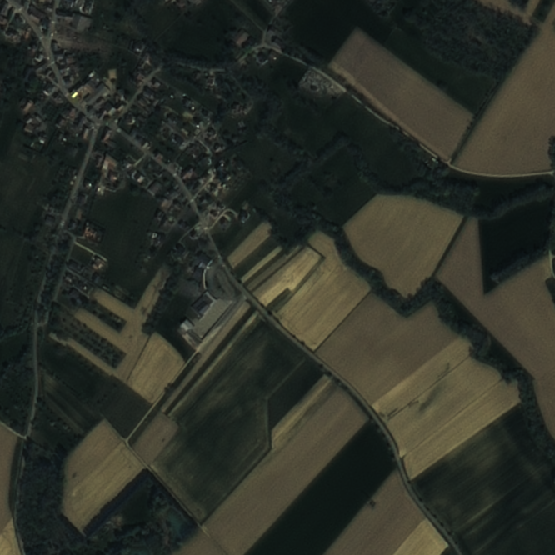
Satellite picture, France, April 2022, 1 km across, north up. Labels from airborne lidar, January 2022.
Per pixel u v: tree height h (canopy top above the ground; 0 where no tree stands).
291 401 0
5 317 0
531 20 0
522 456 0
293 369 0
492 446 0
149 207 0
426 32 18
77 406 0
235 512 0
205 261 0
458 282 0
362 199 0
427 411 0
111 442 0
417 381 0
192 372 0
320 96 0
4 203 0
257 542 0
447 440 0
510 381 7
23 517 19
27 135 8
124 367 0
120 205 0
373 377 0
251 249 0
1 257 0
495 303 0
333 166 0
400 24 0
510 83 0
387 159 0
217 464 0
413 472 0
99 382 0
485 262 0
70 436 0
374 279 23
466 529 0
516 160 0
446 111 0
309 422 0
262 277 0
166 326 0
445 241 0
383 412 0
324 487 0
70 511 0
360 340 0
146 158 0
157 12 0
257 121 0
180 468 0
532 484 0
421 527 0
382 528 0
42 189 0
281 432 0
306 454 0
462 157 0
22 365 20
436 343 0
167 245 0
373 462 0
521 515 0
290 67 0
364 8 0
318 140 0
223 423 0
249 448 0
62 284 0
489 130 0
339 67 0
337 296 0
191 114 0
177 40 0
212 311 0
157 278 0
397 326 0
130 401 0
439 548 0
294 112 0
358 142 0
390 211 0
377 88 0
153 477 18
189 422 0
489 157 0
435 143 0
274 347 0
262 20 0
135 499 0
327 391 0
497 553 0
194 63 19
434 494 0
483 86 0
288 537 0
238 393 0
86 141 0
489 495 0
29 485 20
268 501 0
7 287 0
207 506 0
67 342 0
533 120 0
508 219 0
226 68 18
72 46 14
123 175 0
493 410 0
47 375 0
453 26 26
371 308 0
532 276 0
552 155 16
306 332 0
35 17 0
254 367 0
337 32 0
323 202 0
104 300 0
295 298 0
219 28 0
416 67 0
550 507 0
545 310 0
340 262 0
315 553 0
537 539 0
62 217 0
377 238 0
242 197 0
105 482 0
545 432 18
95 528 20
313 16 0
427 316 0
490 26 7
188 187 8
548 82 0
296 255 0
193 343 0
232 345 0
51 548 18
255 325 0
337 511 0
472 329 21
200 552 0
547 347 0
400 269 0
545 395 0
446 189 24
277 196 10
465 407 0
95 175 7
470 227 0
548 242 16
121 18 17
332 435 0
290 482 0
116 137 0
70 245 13
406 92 0
